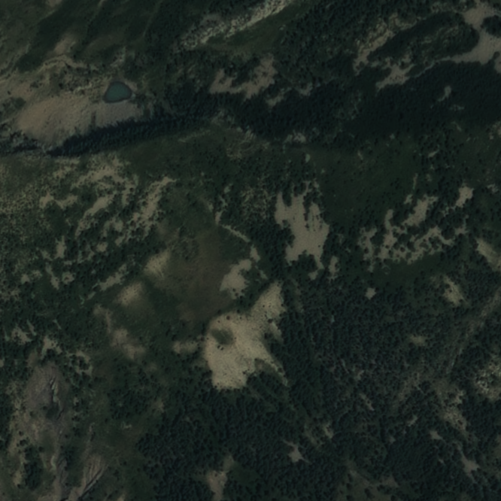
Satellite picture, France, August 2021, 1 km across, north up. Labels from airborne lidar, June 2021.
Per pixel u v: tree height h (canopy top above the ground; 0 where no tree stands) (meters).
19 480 0
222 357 0
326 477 22
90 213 0
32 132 0
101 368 0
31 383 0
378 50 6
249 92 0
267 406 12
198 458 24
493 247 0
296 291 0
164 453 19
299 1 0
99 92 0
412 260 0
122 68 0
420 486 10
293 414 20
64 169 0
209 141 0
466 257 0
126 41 0
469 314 15
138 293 0
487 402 16
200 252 0
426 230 9
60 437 0
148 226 0
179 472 27
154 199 0
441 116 6
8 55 0
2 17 0
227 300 0
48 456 0
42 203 0
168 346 0
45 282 0
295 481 28
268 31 0
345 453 26
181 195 0
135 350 0
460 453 25
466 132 6
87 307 0
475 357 10
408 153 0
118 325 0
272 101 0
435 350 9
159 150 0
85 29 0
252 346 0
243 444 26
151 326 0
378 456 25
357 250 14
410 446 29
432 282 0
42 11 0
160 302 0
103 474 0
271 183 8
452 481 17
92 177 0
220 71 0
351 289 12
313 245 0
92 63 0
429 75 7
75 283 10
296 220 0
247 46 0
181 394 14
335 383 16
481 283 16
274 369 0
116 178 0
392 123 7
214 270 0
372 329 13
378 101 8
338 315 17
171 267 0
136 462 0
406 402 8
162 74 0
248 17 0
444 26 9
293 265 11
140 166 0
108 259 6
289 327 17
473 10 0
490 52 0
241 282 0
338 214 0
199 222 0
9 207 0
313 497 25
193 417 14
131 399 7
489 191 22
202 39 0
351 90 6
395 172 0
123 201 0
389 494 10
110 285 0
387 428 23
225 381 0
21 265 0
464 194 0
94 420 0
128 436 0
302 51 9
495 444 7
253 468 23
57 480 0
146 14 0
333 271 0
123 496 0
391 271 0
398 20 0
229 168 0
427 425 15
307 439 12
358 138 7
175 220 0
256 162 6
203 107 10
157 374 0
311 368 24
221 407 20
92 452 0
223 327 0
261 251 0
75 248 10
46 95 0
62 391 0
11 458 0
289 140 0
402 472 30
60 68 0
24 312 7
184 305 0
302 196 0
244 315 0
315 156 0
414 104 8
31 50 0
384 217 0
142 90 0
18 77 0
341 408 18
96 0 0
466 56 0
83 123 0
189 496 29
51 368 0
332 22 15
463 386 11
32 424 0
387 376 14
